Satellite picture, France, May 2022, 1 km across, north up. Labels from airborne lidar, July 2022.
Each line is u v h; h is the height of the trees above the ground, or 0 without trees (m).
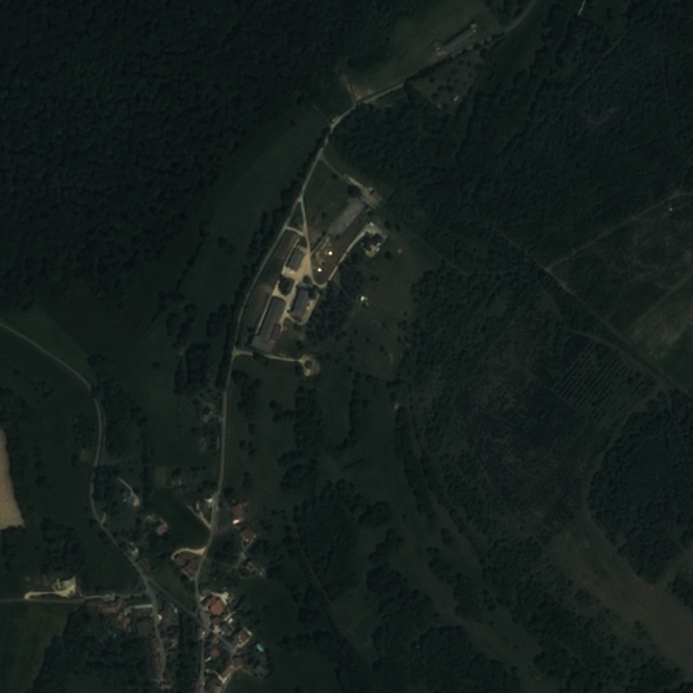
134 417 11
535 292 14
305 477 16
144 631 0
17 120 26
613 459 7
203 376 12
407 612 14
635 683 8
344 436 0
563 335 8
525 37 0
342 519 19
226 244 14
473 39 0
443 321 8
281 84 27
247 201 0
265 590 0
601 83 7
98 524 11
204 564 0
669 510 14
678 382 0
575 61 14
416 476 18
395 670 17
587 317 13
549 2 0
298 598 18
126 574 0
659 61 6
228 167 19
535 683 0
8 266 31
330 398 0
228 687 0
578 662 13
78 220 30
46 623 0
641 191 6
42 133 27
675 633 0
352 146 8
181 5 29
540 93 18
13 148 26
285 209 12
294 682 0
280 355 0
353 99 0
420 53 0
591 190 15
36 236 32
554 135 16
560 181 12
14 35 30
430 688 18
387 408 0
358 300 19
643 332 0
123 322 0
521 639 0
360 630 0
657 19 16
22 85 24
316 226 0
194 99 20
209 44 29
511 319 7
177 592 0
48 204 32
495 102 16
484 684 19
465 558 0
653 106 11
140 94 20
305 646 16
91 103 23
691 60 15
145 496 9
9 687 0
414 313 0
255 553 13
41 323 0
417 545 0
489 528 7
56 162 25
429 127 14
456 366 7
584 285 7
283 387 0
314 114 0
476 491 6
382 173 6
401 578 15
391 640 17
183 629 8
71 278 7
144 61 25
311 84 19
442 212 19
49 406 0
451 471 6
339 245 0
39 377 0
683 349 0
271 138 0
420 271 0
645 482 16
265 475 0
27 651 0
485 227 12
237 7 32
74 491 0
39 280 27
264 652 6
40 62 29
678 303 0
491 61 13
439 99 10
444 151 12
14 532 18
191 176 29
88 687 0
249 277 10
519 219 11
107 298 26
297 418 16
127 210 28
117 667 16
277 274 0
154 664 0
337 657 19
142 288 0
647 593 0
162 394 0
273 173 0
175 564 12
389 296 0
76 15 29
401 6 20
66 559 21
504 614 0
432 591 0
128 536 12
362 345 0
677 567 0
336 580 18
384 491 0
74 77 21
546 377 6
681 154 7
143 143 26
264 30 27
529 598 12
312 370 0
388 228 13
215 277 0
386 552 13
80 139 26
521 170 13
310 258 0
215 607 0
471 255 7
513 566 10
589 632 9
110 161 27
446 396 6
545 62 12
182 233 21
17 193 28
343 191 0
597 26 11
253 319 0
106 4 31
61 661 26
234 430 0
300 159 0
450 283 7
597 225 9
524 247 6
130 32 25
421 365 10
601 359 9
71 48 25
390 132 11
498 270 6
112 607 0
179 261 0
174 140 27
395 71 0
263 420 0
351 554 15
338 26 19
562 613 8
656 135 8
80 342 0
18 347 0
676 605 0
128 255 26
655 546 10
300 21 29
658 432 19
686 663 0
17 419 13
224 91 28
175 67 24
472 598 16
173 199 27
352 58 14
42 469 13
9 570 17
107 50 24
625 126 9
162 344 0
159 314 6
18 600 0
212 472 0
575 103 13
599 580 0
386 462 0
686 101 14
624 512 12
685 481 17
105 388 12
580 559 0
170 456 0
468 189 18
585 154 10
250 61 28
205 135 10
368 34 28
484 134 18
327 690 0
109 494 17
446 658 18
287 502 0
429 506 14
